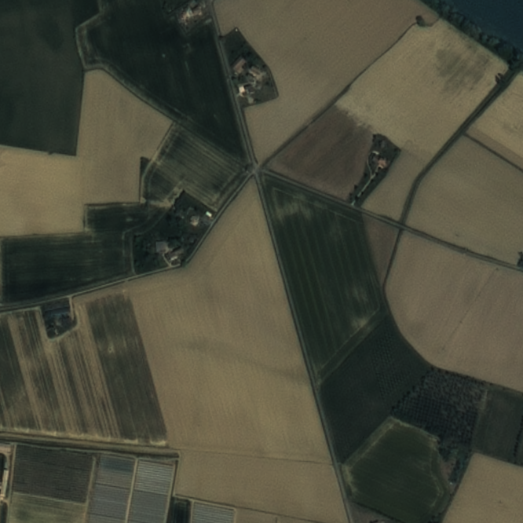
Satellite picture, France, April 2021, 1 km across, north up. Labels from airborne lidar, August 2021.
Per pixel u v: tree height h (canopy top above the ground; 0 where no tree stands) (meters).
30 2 0
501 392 0
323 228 0
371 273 0
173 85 0
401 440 0
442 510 0
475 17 0
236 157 0
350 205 0
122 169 0
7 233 0
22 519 0
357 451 0
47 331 0
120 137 0
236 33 0
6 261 0
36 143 0
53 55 0
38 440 0
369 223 0
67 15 0
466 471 12
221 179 0
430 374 11
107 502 0
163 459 0
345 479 0
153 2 0
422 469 0
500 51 24
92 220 0
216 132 0
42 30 0
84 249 0
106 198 0
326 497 0
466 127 0
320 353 0
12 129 0
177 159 0
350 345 0
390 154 0
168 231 0
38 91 0
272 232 0
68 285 0
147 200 0
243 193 0
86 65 0
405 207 0
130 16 0
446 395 10
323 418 0
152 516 0
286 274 0
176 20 0
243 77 6
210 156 0
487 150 0
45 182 0
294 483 0
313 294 0
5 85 0
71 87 0
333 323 0
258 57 7
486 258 0
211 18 0
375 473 0
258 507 0
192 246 6
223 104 0
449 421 11
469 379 7
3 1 0
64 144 0
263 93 0
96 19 0
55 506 0
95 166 0
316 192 0
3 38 0
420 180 0
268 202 0
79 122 0
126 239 0
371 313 0
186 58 0
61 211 0
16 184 0
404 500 0
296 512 0
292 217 0
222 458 0
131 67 0
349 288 0
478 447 0
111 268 0
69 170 0
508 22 0
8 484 0
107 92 0
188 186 0
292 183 0
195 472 0
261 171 0
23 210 0
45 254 0
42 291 0
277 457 0
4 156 0
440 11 15
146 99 0
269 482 0
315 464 0
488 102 0
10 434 0
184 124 0
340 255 0
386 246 0
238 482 0
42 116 0
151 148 0
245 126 0
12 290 0
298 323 0
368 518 0
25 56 0
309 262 0
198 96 0
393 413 8
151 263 6
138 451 0
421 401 12
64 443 0
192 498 0
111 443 0
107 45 0
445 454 12
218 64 0
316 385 0
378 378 8
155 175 0
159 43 0
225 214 0
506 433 0
